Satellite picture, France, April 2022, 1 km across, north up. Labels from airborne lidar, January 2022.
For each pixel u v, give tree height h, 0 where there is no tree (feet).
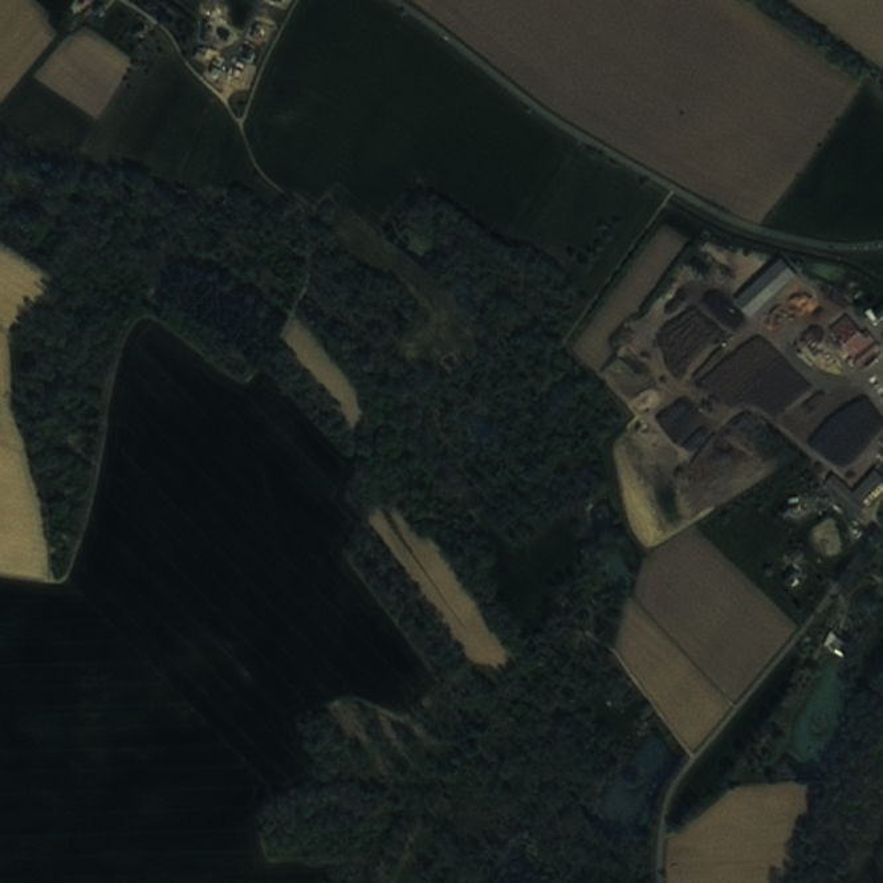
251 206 66
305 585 0
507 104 0
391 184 0
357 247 0
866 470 0
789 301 0
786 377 0
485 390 102
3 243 77
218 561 0
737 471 0
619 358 0
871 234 0
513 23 0
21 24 0
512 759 100
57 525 56
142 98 0
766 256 0
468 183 0
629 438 0
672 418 0
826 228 0
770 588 0
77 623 0
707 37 0
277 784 0
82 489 77
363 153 0
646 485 0
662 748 0
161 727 0
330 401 44
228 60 0
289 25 0
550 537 0
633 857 89
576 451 64
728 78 0
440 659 70
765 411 0
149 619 0
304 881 0
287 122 0
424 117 0
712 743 0
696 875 0
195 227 101
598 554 63
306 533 0
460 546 100
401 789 127
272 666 0
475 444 87
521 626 78
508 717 51
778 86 0
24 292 0
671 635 0
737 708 0
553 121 0
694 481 0
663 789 70
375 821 41
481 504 96
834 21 0
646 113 0
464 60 0
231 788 0
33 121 0
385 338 93
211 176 0
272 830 77
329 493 0
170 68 0
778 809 0
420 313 72
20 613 0
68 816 0
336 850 95
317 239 85
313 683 0
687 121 0
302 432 0
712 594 0
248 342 94
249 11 0
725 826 0
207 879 0
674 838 0
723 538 0
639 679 0
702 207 0
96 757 0
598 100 0
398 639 0
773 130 0
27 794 0
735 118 0
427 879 89
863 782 110
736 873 0
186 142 0
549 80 0
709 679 0
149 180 94
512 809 69
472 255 85
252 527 0
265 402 0
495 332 69
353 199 0
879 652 0
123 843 0
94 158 0
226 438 0
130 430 0
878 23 0
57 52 0
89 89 0
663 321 0
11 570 0
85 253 81
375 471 88
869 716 110
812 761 0
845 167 0
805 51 0
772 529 0
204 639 0
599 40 0
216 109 0
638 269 0
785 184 0
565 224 0
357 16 0
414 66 0
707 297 0
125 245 83
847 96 0
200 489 0
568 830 84
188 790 0
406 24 0
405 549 0
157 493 0
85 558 0
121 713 0
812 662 61
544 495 96
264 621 0
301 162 0
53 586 0
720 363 0
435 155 0
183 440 0
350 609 0
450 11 0
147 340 0
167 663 0
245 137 0
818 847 70
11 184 110
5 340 0
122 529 0
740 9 0
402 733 84
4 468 0
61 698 0
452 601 0
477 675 60
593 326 0
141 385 0
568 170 0
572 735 83
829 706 0
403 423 88
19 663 0
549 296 45
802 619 0
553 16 0
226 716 0
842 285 0
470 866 98
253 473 0
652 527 0
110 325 68
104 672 0
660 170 0
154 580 0
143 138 0
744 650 0
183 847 0
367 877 36
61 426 95
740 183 0
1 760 0
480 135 0
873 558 66
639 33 0
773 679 0
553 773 78
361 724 0
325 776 73
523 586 0
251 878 0
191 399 0
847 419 0
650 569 0
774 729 55
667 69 0
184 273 95
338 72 0
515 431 87
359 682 0
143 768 0
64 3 0
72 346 103
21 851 0
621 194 0
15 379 0
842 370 0
